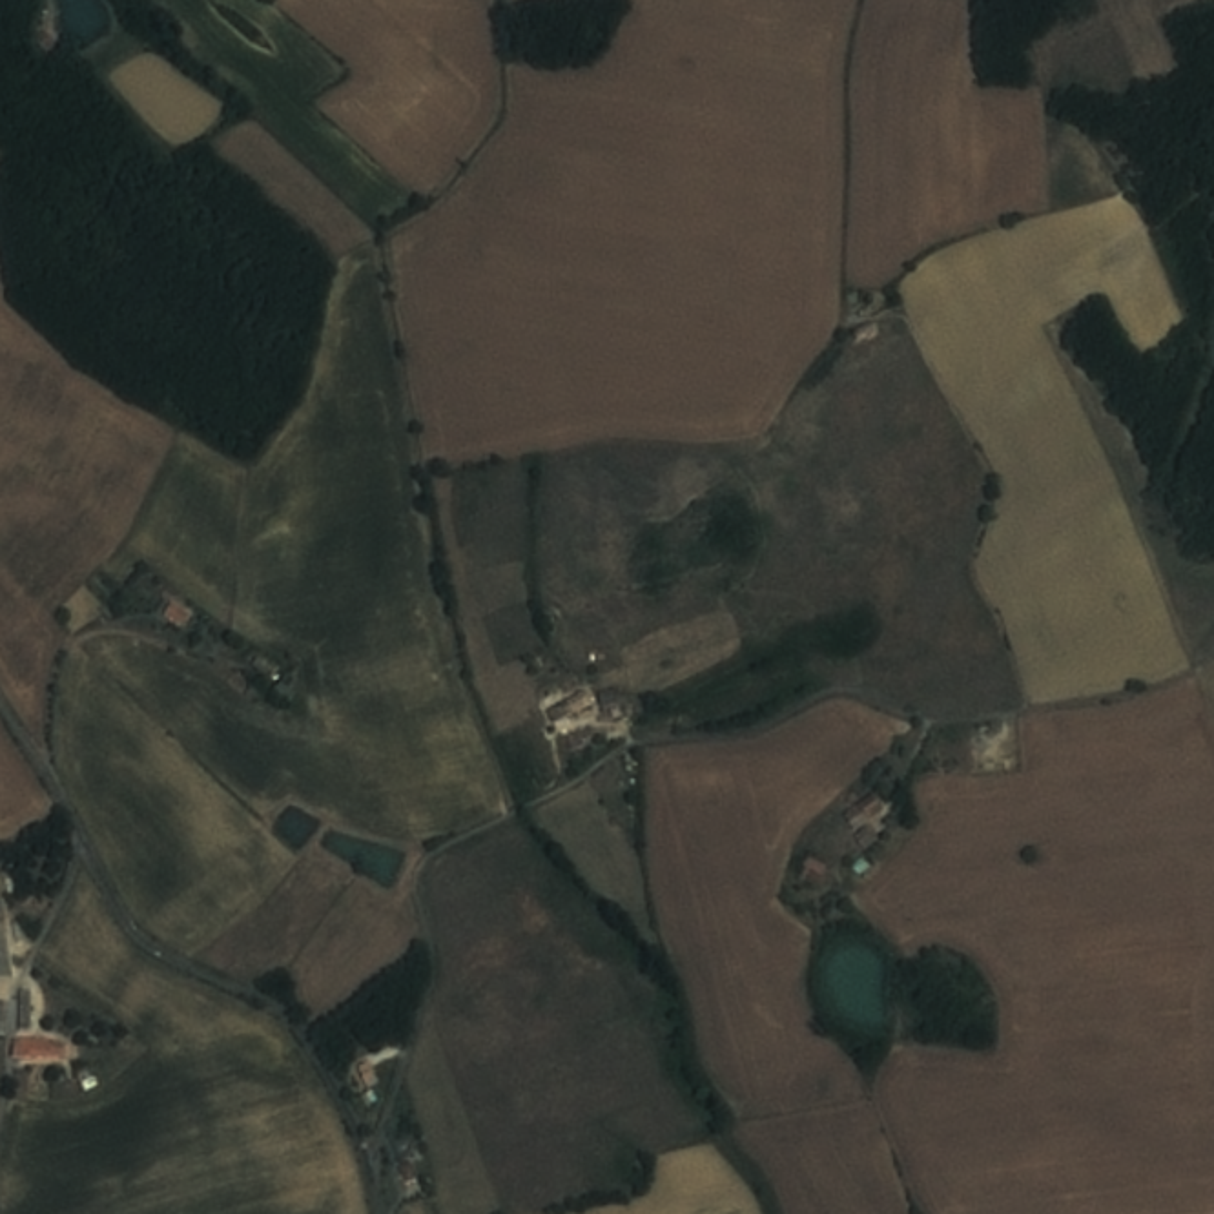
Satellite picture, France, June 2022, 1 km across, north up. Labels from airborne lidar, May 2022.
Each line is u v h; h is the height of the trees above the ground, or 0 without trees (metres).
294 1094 0
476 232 0
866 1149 0
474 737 0
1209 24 8
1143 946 0
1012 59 15
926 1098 0
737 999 0
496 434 0
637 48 0
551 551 0
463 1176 0
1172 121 13
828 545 0
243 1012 0
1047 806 0
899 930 0
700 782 0
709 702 0
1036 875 0
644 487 0
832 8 0
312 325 17
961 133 0
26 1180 0
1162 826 0
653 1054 0
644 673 0
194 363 17
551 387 0
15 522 0
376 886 0
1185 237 7
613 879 0
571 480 0
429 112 0
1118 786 0
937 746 0
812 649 0
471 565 0
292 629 0
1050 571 0
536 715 0
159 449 0
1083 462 0
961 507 0
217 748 0
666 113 0
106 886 0
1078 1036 0
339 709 0
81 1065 10
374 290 0
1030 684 0
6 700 0
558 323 0
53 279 11
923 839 0
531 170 0
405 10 0
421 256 0
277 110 0
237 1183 0
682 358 0
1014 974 0
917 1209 7
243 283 16
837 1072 0
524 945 0
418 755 0
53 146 9
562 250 0
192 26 0
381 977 14
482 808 0
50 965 0
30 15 14
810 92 0
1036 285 0
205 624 7
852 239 0
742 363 0
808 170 0
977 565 0
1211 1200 0
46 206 9
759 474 0
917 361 0
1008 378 0
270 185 0
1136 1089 0
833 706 0
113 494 0
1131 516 0
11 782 0
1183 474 13
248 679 7
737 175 0
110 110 8
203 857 0
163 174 18
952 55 0
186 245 19
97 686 0
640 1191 12
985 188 0
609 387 0
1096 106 15
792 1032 0
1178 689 0
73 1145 0
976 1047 14
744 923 0
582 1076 0
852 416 0
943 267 0
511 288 0
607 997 0
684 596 0
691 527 0
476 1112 0
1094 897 0
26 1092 0
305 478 0
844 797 0
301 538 0
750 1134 0
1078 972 0
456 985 0
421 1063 0
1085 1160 0
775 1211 0
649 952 30
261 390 17
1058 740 0
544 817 0
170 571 0
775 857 0
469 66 0
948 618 0
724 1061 0
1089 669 0
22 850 16
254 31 7
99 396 0
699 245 0
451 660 0
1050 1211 0
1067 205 0
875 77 0
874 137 0
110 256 13
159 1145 0
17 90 6
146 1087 0
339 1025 16
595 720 0
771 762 0
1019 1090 0
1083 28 0
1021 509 0
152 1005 0
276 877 0
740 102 0
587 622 0
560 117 0
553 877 0
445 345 0
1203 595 0
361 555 0
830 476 0
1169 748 0
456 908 0
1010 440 0
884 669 0
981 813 0
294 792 0
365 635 0
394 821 0
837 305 0
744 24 0
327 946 0
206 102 0
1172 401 14
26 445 0
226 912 0
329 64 0
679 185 0
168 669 0
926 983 6
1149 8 0
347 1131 7
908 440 0
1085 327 14
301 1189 0
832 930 9
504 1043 0
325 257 16
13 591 0
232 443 14
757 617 0
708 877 0
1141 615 0
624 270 0
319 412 0
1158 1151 0
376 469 0
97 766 0
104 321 13
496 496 0
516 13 27
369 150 0
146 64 0
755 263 0
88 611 0
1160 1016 0
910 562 0
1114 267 0
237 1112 0
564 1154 0
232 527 0
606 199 0
